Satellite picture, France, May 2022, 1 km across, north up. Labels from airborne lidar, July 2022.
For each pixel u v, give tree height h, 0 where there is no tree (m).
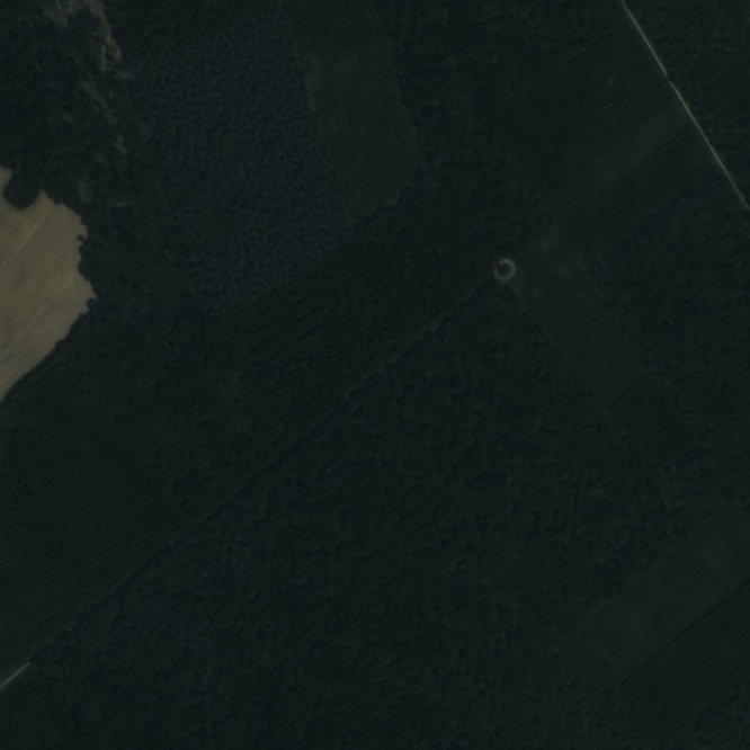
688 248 32
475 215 25
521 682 23
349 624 23
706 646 9
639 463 23
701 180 6
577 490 26
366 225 18
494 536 29
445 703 29
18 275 0
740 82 26
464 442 31
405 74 27
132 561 18
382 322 25
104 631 22
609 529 27
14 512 16
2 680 0
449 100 32
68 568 16
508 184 31
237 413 27
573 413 21
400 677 21
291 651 25
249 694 29
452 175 28
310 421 26
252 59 33
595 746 21
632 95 6
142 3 28
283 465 20
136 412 24
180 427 24
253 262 27
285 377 26
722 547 0
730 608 9
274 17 23
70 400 10
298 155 35
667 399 6
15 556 12
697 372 23
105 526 17
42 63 31
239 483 20
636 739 28
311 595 32
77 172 31
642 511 29
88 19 27
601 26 21
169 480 24
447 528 30
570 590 24
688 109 0
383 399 28
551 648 27
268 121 35
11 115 29
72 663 25
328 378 24
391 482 27
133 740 30
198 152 27
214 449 32
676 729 8
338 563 25
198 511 29
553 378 24
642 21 22
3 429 22
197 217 23
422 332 14
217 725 34
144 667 26
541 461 26
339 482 26
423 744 22
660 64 0
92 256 26
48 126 32
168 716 33
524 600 24
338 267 26
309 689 25
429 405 31
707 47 29
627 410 7
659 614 0
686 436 7
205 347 28
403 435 22
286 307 17
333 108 6
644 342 23
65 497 18
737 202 30
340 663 30
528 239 30
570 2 25
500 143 6
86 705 28
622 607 0
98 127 28
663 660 7
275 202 33
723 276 32
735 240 27
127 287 22
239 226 20
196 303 27
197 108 32
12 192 22
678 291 31
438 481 32
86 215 27
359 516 24
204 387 24
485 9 31
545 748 23
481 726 23
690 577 0
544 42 29
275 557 30
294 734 30
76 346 19
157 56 25
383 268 23
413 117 11
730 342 26
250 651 29
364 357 25
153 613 27
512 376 30
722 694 9
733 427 26
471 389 21
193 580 30
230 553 28
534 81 7
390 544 25
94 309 24
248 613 27
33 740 6
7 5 25
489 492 26
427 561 28
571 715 23
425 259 21
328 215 24
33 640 11
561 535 29
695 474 30
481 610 27
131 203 0
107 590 14
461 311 22
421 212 26
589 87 6
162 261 24
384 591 28
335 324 24
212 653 26
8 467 19
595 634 0
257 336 19
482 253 28
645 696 8
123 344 29
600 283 26
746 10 21
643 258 28
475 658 26
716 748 28
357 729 26
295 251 32
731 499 30
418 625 33
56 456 14
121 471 10
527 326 24
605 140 5
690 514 31
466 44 29
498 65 29
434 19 29
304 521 30
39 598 10
